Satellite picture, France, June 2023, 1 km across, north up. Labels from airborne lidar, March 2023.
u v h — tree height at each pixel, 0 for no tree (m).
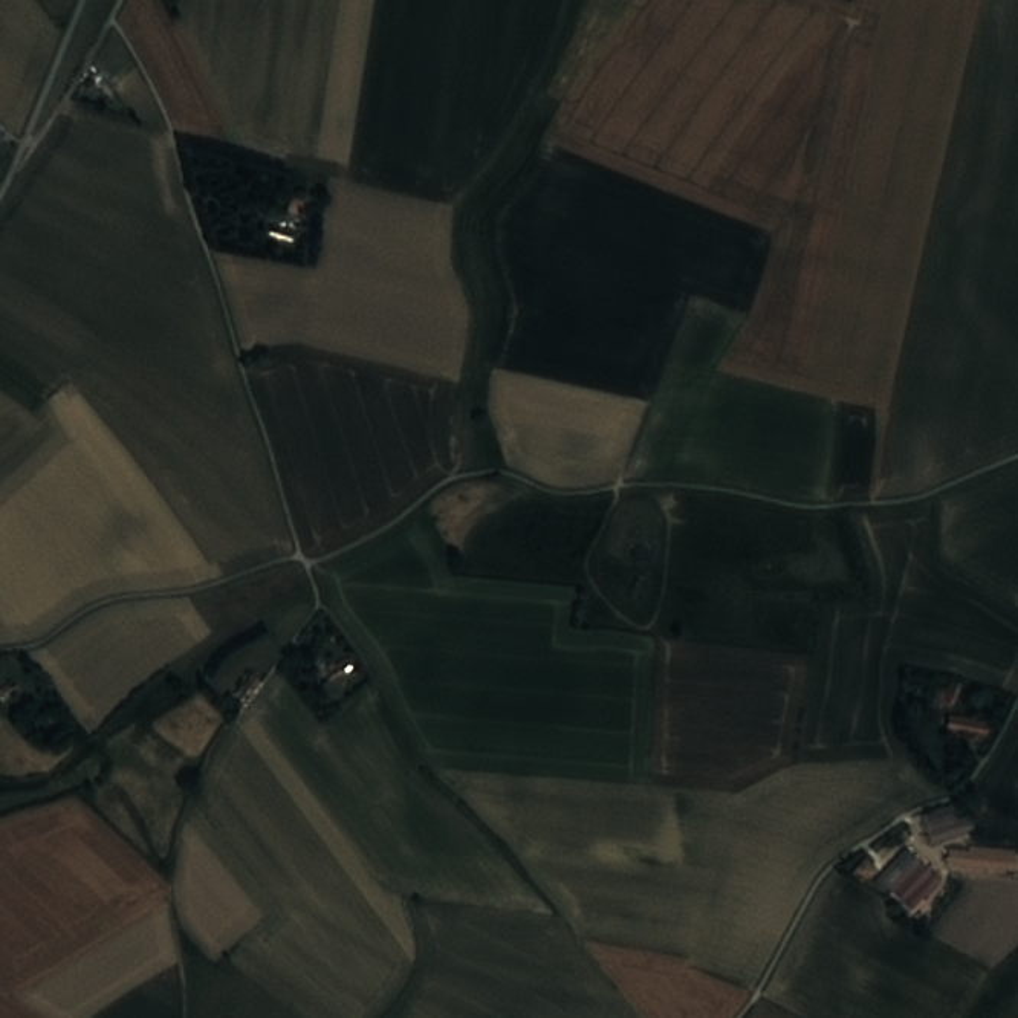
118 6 0
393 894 0
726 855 0
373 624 0
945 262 0
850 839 0
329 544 0
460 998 0
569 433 0
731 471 0
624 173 0
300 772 0
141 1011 0
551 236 0
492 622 0
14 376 0
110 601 0
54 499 0
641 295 0
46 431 0
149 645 0
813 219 0
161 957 0
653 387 0
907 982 0
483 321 0
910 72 0
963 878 0
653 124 0
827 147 0
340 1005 0
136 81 0
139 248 0
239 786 0
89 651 0
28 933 0
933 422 0
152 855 0
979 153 0
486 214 0
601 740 0
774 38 0
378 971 0
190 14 0
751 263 0
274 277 0
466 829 0
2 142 0
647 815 0
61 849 0
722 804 0
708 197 0
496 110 0
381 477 0
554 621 0
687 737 0
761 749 0
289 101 0
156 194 0
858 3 0
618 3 0
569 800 0
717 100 0
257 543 0
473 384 0
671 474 0
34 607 0
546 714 0
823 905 0
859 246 0
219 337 0
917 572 0
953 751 16
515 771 0
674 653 0
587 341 0
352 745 0
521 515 0
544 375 0
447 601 0
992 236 0
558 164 0
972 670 0
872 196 0
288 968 0
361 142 0
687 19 0
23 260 0
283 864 0
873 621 0
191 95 0
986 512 0
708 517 0
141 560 0
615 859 0
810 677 0
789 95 0
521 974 0
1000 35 0
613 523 0
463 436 0
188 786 21
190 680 0
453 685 0
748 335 0
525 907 0
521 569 0
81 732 7
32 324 0
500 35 0
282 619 0
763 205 0
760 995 0
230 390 0
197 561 0
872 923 0
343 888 0
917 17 0
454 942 0
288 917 0
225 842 0
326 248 0
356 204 0
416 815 0
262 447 0
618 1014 0
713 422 0
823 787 0
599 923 0
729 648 0
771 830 0
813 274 0
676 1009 0
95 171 0
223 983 0
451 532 0
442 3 0
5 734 0
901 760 0
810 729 0
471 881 0
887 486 0
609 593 0
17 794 0
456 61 0
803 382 0
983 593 0
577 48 0
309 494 0
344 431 0
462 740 0
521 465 0
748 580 0
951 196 0
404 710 0
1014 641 0
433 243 0
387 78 0
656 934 0
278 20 0
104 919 0
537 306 0
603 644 0
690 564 0
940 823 0
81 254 0
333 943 0
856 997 0
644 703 0
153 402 0
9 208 0
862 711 0
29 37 0
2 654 6
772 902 0
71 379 0
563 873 0
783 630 0
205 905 0
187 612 0
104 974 0
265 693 0
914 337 0
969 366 0
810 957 0
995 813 0
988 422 0
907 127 0
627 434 0
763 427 0
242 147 0
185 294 0
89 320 0
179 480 0
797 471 0
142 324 0
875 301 0
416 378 0
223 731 0
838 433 0
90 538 0
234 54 0
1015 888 0
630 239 0
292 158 0
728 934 0
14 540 0
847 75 0
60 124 0
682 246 0
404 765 0
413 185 0
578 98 0
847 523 0
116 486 0
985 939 0
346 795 0
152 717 0
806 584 0
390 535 0
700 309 0
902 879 0
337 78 0
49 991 0
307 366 0
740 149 0
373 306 0
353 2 0
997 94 0
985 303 0
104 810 0
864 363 0
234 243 8
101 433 0
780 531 0
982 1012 0
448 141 0
